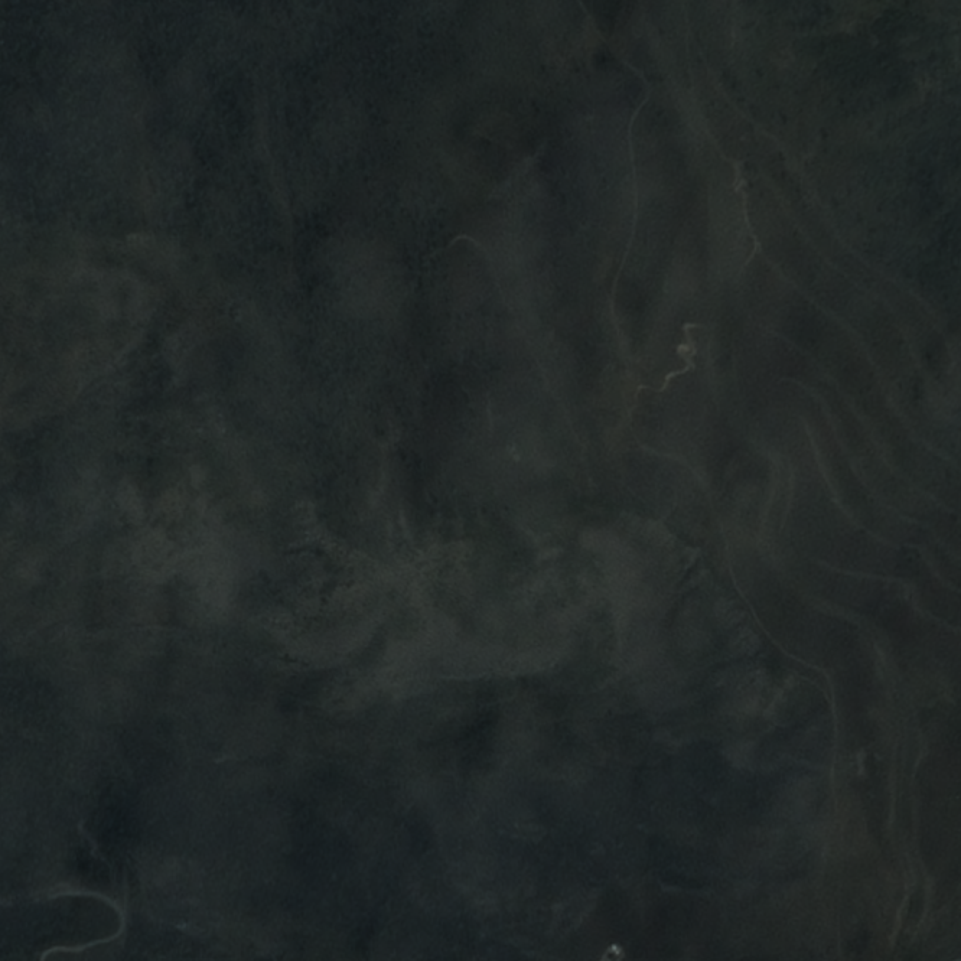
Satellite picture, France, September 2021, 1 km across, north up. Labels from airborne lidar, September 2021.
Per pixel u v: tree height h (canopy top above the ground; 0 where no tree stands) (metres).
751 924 0
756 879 0
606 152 0
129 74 0
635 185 0
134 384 0
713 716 0
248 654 0
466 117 0
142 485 0
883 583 0
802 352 0
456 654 0
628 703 0
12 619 0
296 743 0
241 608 0
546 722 0
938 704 0
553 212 0
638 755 0
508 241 0
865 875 0
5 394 0
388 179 0
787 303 0
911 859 0
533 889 0
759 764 0
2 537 0
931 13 0
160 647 0
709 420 0
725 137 0
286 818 8
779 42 0
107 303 0
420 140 0
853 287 0
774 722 0
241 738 0
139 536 0
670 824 0
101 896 0
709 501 0
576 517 0
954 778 0
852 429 0
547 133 0
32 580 0
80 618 0
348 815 0
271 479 0
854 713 0
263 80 11
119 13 9
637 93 0
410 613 0
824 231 0
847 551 0
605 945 0
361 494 0
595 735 0
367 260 0
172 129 7
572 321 0
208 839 11
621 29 0
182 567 0
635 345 0
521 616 0
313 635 0
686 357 0
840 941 0
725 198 0
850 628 0
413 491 0
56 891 0
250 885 10
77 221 8
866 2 0
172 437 0
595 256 0
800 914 0
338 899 12
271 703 0
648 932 0
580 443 0
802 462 0
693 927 0
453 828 0
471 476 0
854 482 0
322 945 0
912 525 0
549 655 0
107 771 6
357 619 0
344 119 8
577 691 0
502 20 0
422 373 0
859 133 0
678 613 0
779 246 0
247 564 0
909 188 8
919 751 0
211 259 0
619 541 0
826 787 0
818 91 0
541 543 0
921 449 0
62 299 0
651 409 0
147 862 0
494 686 0
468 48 0
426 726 0
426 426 0
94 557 0
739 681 0
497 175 0
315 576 0
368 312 0
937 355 0
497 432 0
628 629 0
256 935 0
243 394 0
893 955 0
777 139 0
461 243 0
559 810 6
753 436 0
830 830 0
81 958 0
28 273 0
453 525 0
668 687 0
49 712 6
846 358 0
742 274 0
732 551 0
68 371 0
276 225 6
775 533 0
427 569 0
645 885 0
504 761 0
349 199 0
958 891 0
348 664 0
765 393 0
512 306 0
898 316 0
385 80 6
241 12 12
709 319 0
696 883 0
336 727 0
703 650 0
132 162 0
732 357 0
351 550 0
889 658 0
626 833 5
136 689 0
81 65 11
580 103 0
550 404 0
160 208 0
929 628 0
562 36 0
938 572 0
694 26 0
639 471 0
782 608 0
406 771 0
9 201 11
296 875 6
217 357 0
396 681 0
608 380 0
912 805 0
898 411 0
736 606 0
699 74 0
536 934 0
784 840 0
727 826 0
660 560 0
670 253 0
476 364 0
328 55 10
